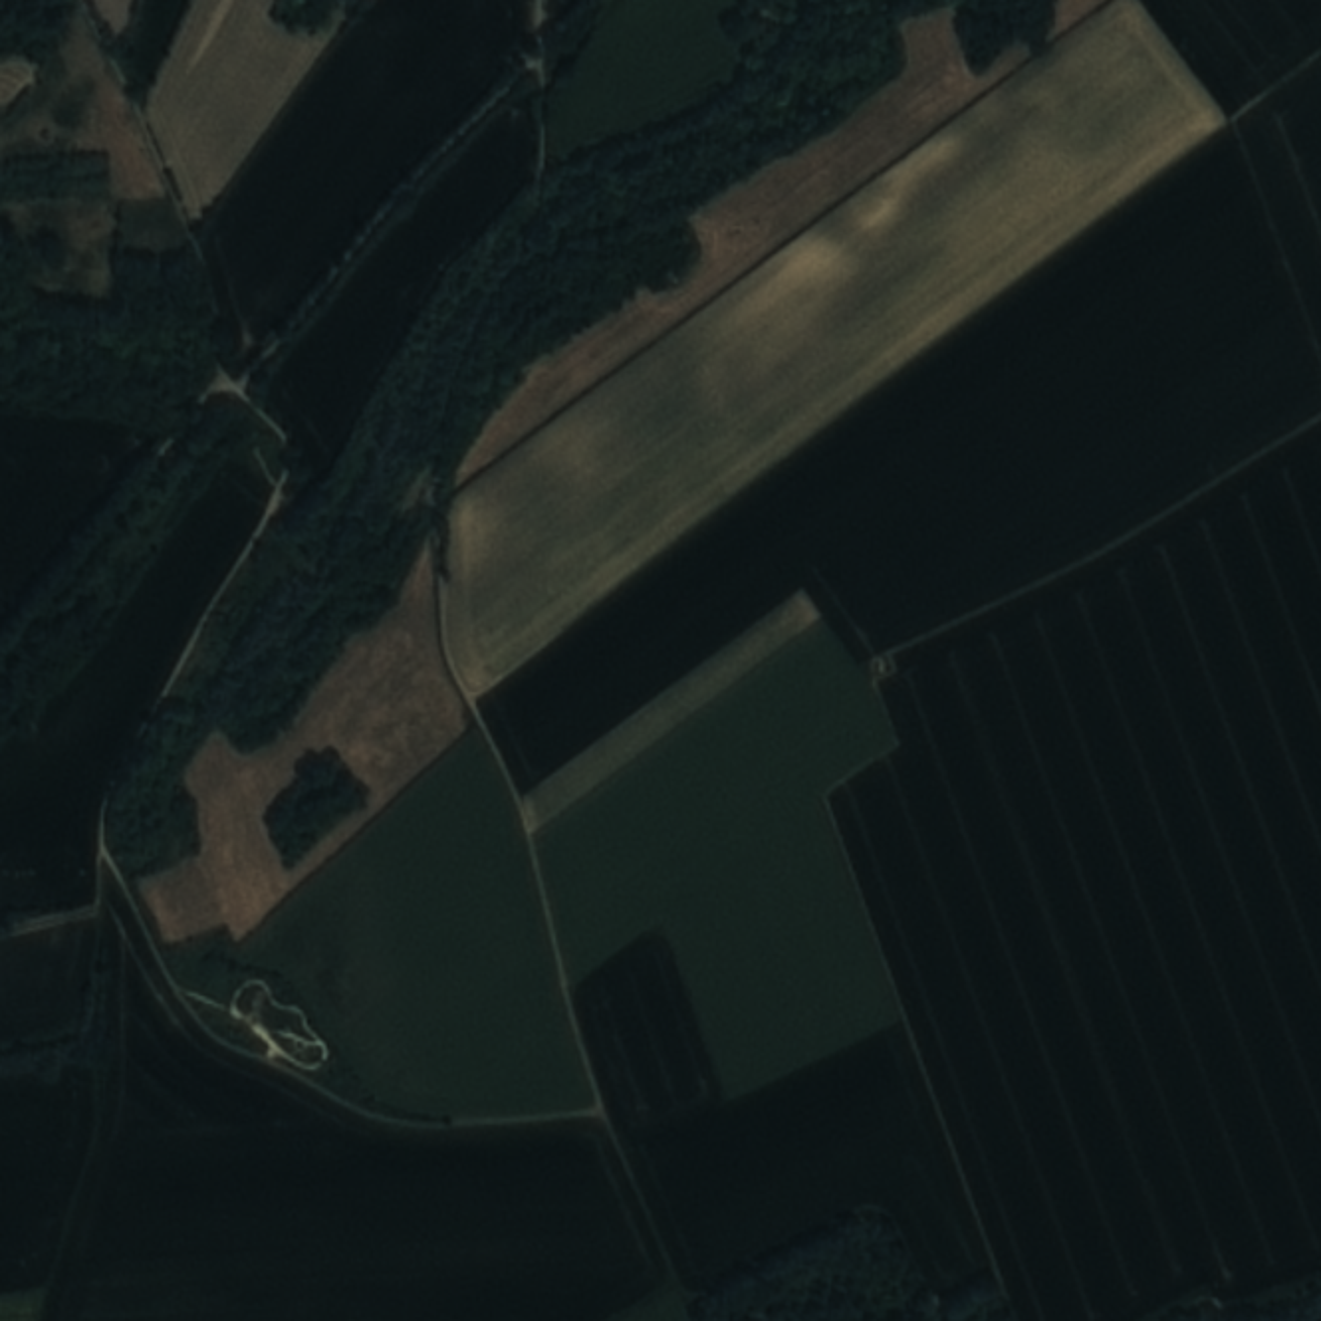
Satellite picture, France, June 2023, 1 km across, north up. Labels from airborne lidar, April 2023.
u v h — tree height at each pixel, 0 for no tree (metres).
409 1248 0
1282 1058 0
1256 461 0
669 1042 0
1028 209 0
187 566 0
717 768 0
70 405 19
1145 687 0
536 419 0
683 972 0
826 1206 0
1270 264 0
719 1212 0
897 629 0
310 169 0
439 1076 0
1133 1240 0
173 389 19
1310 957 0
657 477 0
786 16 15
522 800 0
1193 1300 0
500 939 0
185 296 17
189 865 0
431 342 12
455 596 0
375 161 0
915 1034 0
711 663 0
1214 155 0
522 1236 0
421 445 15
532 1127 0
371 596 14
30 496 0
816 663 0
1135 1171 0
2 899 0
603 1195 0
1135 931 0
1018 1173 0
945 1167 0
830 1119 0
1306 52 0
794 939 0
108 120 0
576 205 16
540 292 15
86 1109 0
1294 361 0
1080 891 0
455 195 0
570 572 0
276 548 0
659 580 0
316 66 0
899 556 0
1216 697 0
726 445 0
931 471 0
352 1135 0
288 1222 0
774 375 0
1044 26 13
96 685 0
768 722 0
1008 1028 0
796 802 0
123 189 0
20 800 0
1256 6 0
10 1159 0
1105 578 0
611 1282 0
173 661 0
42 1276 0
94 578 13
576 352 0
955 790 0
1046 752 0
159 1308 0
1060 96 0
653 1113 0
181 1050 0
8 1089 0
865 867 0
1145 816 0
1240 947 0
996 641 0
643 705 0
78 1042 8
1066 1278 0
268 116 0
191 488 10
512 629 0
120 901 0
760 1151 0
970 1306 14
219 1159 0
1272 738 0
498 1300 0
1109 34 0
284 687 16
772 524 0
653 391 0
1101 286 0
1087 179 0
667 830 0
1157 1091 0
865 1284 14
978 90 0
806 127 7
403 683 0
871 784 0
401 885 0
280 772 0
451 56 0
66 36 0
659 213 21
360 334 0
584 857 0
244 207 0
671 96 0
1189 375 0
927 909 0
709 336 0
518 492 0
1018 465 0
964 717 0
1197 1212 0
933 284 0
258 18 0
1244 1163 0
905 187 0
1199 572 0
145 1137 0
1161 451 0
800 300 0
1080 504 0
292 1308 0
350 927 0
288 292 0
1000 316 0
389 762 0
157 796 6
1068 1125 0
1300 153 0
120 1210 0
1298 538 0
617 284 13
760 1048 0
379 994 0
